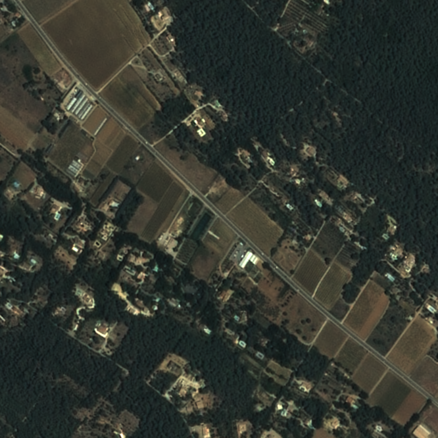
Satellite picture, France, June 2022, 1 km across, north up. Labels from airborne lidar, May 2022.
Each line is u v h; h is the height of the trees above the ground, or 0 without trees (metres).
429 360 0
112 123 0
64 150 0
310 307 0
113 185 8
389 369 0
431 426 0
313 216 14
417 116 20
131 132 0
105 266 13
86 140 0
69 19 0
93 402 17
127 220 12
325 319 0
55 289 19
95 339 17
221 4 20
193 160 0
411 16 9
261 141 13
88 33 0
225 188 0
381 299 0
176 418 17
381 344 6
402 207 19
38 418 16
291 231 6
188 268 9
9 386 15
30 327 18
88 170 0
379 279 0
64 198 11
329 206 17
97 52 0
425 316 7
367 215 6
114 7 0
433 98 20
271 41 13
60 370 8
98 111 0
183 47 19
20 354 15
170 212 0
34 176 0
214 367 21
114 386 16
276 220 8
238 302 6
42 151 15
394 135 19
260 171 16
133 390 19
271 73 17
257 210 0
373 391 0
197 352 20
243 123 20
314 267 0
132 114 0
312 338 0
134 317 17
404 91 17
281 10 15
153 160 0
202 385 0
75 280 8
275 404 7
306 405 22
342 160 17
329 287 0
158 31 0
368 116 18
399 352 0
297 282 0
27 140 0
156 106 0
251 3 7
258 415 16
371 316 0
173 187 0
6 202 19
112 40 0
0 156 7
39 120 0
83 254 10
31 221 24
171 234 0
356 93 17
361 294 0
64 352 18
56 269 9
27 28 0
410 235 21
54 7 0
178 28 19
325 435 0
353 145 18
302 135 19
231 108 22
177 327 16
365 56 22
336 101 20
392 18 22
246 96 20
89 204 10
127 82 0
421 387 0
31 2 0
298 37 18
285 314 10
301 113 22
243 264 0
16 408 8
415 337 0
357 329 0
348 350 0
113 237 10
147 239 0
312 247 0
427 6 19
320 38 6
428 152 16
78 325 8
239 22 7
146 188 0
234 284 8
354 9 21
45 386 15
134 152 0
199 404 0
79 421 7
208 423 7
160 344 22
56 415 18
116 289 0
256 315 0
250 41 17
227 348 22
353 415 9
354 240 13
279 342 10
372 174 18
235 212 0
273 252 9
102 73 0
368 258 13
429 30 17
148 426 19
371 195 17
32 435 12
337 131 20
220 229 0
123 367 7
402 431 19
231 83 23
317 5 6
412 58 20
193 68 24
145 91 0
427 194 20
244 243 0
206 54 19
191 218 0
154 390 6
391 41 14
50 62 0
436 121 21
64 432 13
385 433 7
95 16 0
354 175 18
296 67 15
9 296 19
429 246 18
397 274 19
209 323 12
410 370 0
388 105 18
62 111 14
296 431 17
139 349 19
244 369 17
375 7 20
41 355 12
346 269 0
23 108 0
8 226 7
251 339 21
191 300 14
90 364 18
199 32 23
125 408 8
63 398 18
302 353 13
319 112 20
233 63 19
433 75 13
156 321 18
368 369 0
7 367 18
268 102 20
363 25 13
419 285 20
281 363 7
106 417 8
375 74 22
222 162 18
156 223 0
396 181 17
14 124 0
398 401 0
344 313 0
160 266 11
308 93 17
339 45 21
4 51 0
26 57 0
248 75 24
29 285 20
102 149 0
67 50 0
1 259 6
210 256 0
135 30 0
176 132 15
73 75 0
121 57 0
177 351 19
